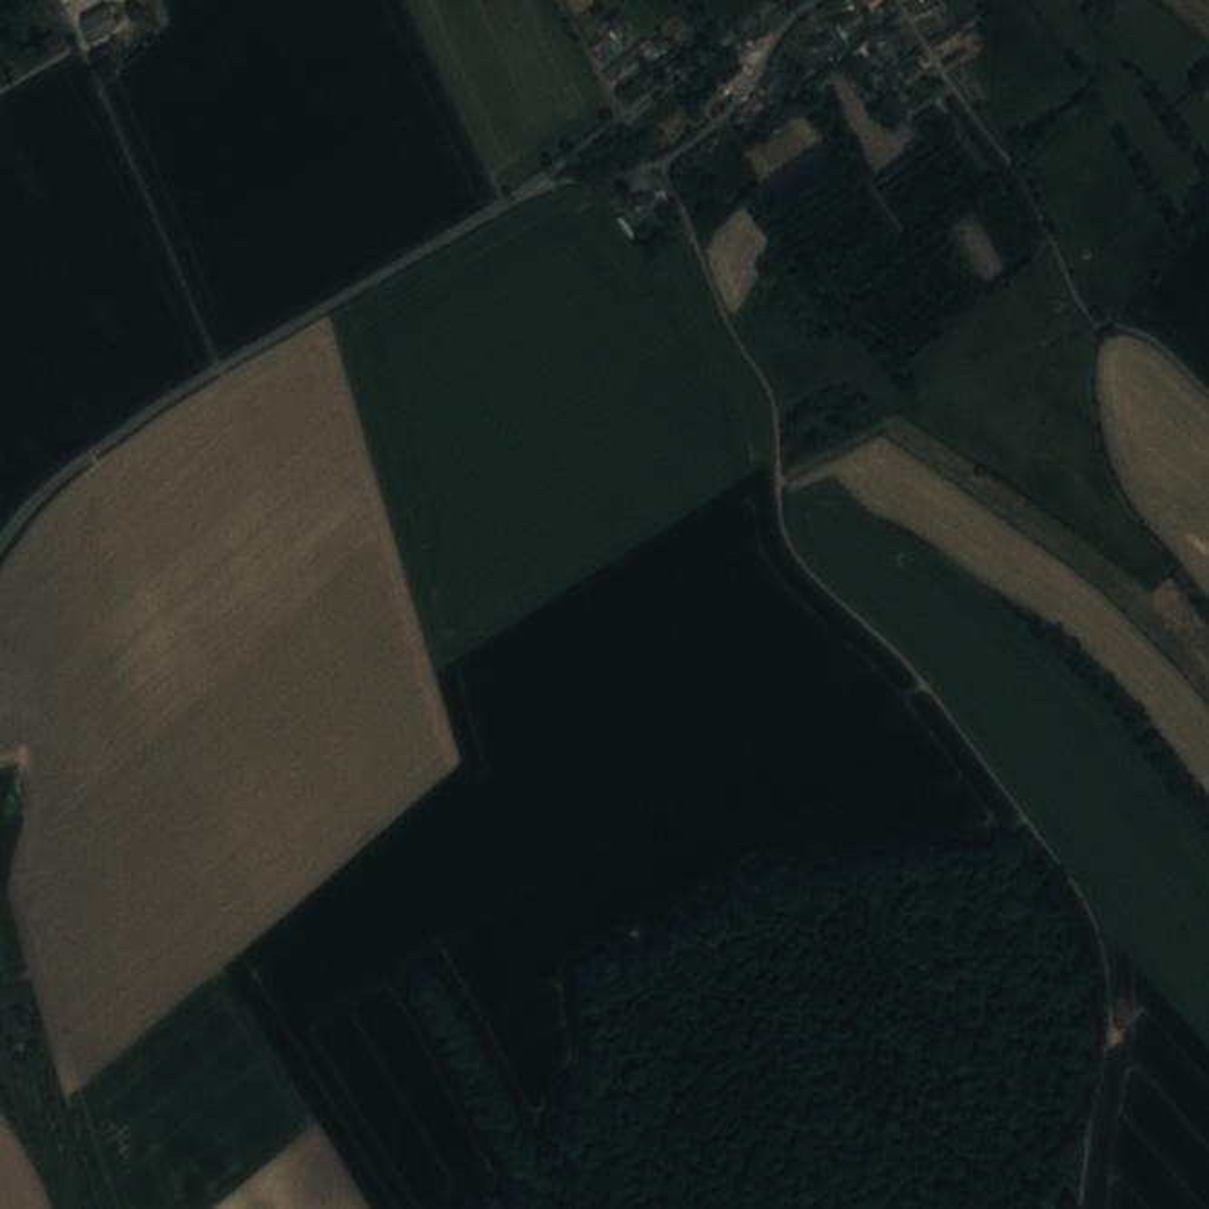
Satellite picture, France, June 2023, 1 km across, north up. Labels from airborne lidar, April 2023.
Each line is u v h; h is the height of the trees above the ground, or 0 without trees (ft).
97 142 0
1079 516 0
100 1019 0
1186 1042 0
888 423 0
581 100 0
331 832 0
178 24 0
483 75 0
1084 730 0
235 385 0
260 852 0
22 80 0
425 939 0
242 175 0
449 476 0
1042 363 0
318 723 0
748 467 0
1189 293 0
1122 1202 0
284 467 0
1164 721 0
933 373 0
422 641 0
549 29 0
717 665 0
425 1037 0
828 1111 108
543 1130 0
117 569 0
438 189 0
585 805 0
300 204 0
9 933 0
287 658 0
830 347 0
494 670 0
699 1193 98
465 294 0
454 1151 0
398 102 0
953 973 95
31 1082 0
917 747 0
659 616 0
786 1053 88
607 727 0
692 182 37
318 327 0
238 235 0
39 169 0
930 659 0
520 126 0
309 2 0
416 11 0
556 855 0
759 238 0
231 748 0
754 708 0
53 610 0
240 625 0
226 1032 0
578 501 0
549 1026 0
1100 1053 31
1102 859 0
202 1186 0
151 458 0
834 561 0
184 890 0
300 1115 0
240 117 0
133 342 0
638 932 0
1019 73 0
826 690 0
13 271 0
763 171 0
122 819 0
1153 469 0
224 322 0
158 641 0
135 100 0
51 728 0
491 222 0
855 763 0
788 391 0
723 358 0
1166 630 0
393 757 0
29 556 0
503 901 0
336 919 0
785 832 0
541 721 0
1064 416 0
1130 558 0
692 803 0
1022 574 0
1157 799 0
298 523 0
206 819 0
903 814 0
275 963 0
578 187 0
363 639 0
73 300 0
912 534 0
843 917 53
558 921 0
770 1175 83
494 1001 0
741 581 0
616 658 0
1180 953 0
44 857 0
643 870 0
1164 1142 0
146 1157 0
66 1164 0
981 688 0
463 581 0
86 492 0
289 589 0
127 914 0
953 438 0
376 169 0
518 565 0
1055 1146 89
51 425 0
